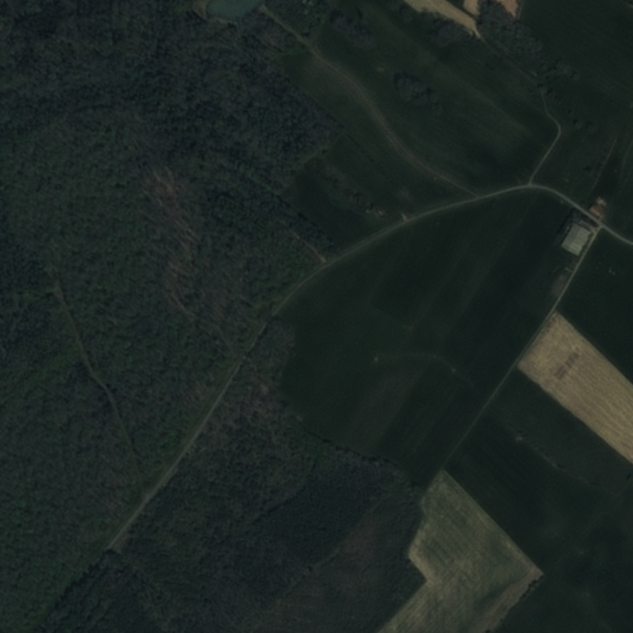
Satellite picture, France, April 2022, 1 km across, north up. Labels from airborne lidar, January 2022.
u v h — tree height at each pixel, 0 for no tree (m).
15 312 28
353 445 0
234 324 28
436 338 0
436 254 0
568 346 0
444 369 0
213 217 28
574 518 0
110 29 31
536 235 0
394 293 0
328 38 0
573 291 0
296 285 19
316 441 11
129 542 5
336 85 0
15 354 27
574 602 0
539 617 0
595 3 0
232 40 26
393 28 0
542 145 0
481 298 0
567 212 0
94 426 27
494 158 0
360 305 0
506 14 26
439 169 0
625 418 0
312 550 18
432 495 0
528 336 0
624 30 0
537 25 0
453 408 0
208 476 10
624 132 0
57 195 29
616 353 0
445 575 0
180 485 11
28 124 25
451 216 0
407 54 0
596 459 0
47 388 24
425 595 0
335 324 0
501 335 0
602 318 0
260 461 7
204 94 23
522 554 0
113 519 24
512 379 0
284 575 20
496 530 0
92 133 22
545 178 0
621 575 0
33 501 23
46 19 14
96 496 25
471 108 0
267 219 25
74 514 24
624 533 0
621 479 0
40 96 23
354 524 18
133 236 25
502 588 0
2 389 27
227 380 0
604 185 0
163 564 12
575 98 0
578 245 0
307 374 0
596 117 0
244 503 11
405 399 0
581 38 0
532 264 0
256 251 28
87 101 24
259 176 21
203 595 6
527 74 0
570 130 0
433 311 0
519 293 0
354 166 0
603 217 0
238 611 16
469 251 0
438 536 0
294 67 0
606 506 0
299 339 0
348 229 0
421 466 0
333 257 23
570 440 0
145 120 26
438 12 0
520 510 0
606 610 0
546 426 0
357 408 0
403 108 0
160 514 12
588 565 0
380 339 0
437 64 0
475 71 0
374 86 0
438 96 14
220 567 9
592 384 0
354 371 0
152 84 29
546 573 0
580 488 0
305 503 19
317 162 0
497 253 0
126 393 21
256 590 18
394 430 0
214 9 0
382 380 0
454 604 0
